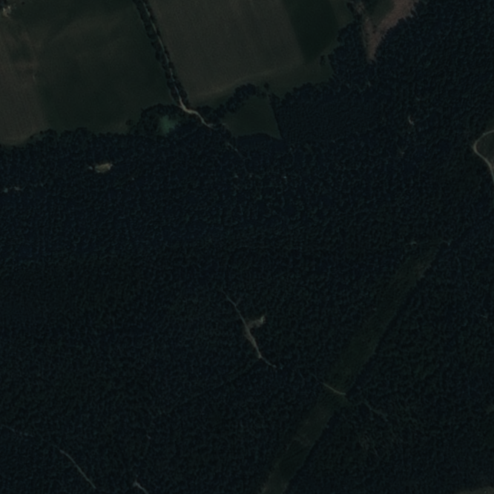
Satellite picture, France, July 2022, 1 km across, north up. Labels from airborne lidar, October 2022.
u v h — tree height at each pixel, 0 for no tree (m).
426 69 23
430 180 23
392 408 29
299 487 20
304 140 20
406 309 22
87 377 18
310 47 0
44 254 24
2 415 14
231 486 28
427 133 32
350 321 22
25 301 18
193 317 10
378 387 13
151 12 12
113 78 0
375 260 27
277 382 28
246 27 0
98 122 0
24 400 17
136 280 20
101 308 23
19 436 21
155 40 16
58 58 0
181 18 0
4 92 0
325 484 22
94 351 22
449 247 15
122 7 0
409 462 14
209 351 28
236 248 14
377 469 20
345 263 16
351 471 18
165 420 8
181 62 0
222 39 0
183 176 35
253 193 26
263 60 0
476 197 18
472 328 22
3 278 14
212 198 37
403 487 19
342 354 17
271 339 11
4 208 33
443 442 23
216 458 23
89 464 31
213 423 8
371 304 18
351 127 26
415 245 6
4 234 26
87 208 27
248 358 27
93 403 25
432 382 26
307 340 21
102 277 20
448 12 23
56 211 29
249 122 0
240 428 23
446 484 17
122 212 38
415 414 27
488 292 11
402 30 18
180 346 7
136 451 15
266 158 37
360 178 17
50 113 0
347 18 0
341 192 12
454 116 33
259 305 15
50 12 0
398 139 17
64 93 0
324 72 0
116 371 18
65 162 24
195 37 0
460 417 17
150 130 15
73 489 22
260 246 12
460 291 31
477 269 22
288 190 10
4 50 0
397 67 28
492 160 0
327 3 0
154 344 26
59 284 20
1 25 0
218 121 18
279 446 19
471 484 21
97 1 0
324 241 18
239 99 26
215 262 32
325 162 39
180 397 15
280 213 42
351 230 24
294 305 23
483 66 28
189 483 22
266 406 24
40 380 19
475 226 15
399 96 24
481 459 22
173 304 16
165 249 19
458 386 23
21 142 0
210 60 0
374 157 35
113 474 21
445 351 25
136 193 35
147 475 32
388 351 23
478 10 31
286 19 0
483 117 17
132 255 14
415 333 24
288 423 14
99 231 29
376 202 31
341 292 21
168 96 0
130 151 34
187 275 24
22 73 0
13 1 0
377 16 0
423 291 11
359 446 24
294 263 30
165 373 27
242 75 0
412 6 0
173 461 23
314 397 21
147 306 18
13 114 0
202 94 0
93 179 22
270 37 0
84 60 0
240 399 28
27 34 0
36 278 17
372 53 0
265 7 0
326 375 23
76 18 0
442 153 38
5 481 25
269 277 9
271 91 0
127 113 0
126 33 0
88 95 0
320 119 30
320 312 21
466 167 12
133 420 30
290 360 13
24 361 9
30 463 20
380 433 12
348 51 31
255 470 18
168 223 23
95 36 0
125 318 13
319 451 15
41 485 20
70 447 20
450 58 30
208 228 34
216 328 20
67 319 14
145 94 0
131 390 9
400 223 27
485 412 14
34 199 33
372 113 27
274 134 0
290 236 19
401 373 12
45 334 24
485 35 33
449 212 22
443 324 15
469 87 32
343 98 25
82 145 21
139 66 0
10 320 25
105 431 25
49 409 23
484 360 21
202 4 0
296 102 23
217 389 24
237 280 22
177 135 15
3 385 15
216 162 15
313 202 11
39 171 25
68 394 8
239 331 23
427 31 24
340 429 23
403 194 31
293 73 0
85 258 15
